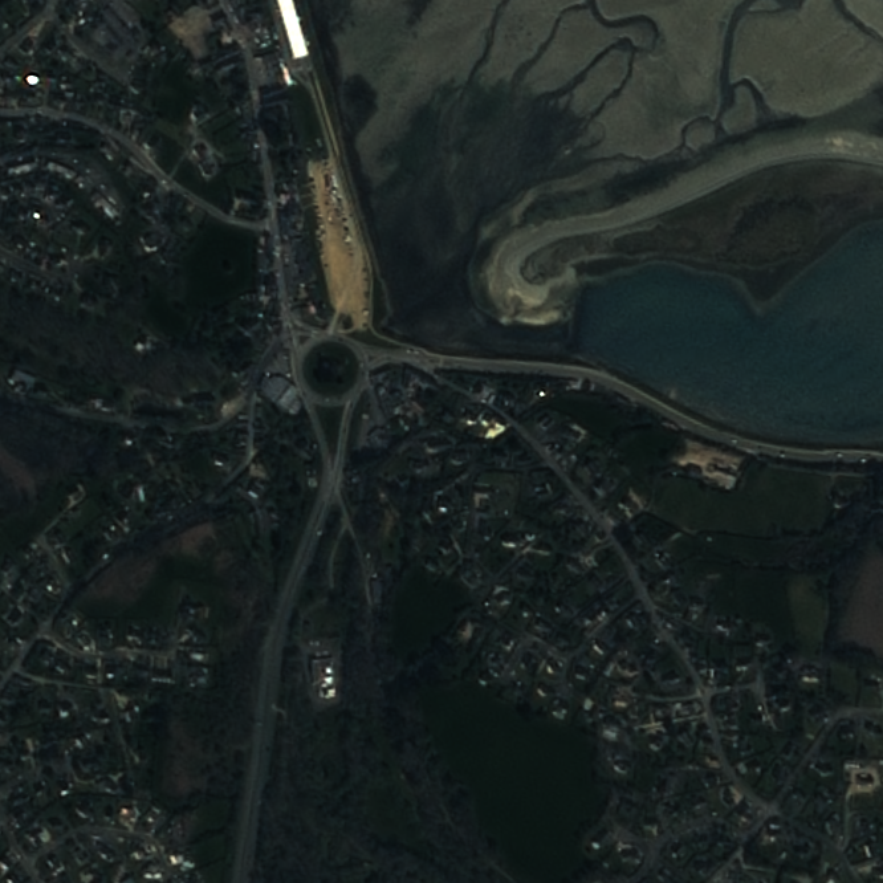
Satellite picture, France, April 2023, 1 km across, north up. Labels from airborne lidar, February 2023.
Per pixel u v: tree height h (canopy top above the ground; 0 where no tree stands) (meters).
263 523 0
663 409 0
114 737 11
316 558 7
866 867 0
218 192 0
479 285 0
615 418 0
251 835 0
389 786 8
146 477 10
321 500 0
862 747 7
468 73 0
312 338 0
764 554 0
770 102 0
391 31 0
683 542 0
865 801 0
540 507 7
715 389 0
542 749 0
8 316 22
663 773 9
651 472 8
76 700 0
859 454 0
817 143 0
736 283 0
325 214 0
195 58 9
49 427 17
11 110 0
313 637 0
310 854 21
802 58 0
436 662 10
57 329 20
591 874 17
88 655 0
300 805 18
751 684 0
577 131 0
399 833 0
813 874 9
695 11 0
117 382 20
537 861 0
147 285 7
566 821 0
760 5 0
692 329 0
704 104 0
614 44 0
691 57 0
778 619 0
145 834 0
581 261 0
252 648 8
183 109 0
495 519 0
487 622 7
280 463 8
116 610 0
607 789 13
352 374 0
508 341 0
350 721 16
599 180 0
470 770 0
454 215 0
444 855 20
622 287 0
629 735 11
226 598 0
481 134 0
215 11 0
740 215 0
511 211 0
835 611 13
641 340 0
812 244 0
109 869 0
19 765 10
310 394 0
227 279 0
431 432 0
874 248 0
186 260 0
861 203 0
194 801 8
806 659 0
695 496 0
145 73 12
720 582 0
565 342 0
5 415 25
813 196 0
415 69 0
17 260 0
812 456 0
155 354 14
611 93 0
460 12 0
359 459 15
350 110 0
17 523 0
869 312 0
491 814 0
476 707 0
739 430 0
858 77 0
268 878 13
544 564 0
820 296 0
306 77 0
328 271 0
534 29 0
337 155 0
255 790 0
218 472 0
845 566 14
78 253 0
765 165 0
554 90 0
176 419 13
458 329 0
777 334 0
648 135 0
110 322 10
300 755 14
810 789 0
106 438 7
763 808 0
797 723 8
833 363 0
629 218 0
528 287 0
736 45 0
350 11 0
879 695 0
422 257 0
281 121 10
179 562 0
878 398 0
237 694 8
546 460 0
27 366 16
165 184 0
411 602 0
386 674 18
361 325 0
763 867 9
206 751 9
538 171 0
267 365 0
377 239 0
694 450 0
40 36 0
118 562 9
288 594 0
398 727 24
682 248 0
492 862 8
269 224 0
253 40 0
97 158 0
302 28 0
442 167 0
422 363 0
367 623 17
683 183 0
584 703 0
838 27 0
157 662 0
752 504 0
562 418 0
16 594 6
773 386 0
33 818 7
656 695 7
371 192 0
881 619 0
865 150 0
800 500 0
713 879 0
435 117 0
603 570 0
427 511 7
